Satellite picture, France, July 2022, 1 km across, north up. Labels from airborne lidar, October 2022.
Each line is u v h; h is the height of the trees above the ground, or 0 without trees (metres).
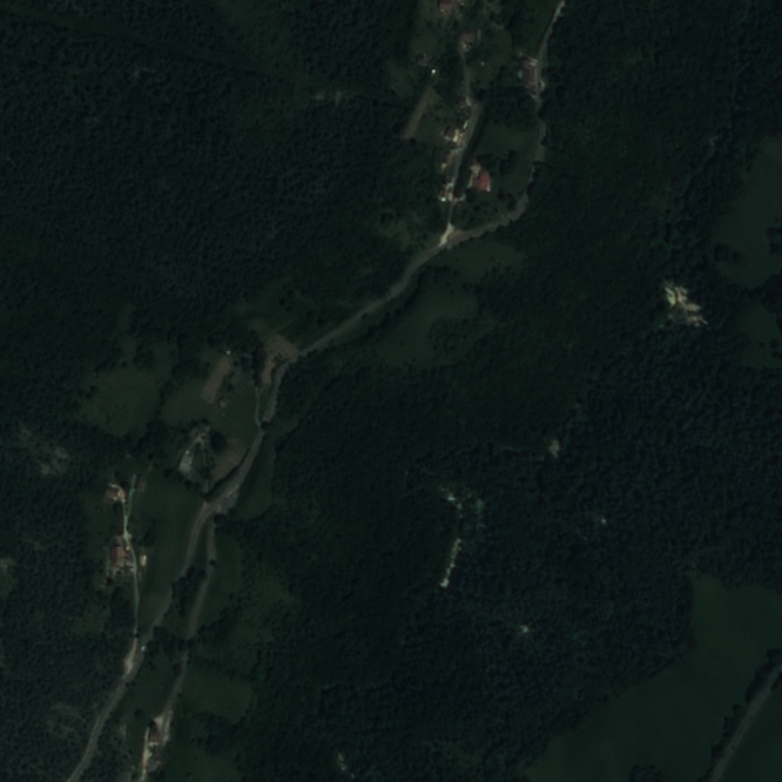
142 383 0
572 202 18
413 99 5
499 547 21
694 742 0
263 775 22
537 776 0
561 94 17
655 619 28
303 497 10
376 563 28
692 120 29
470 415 21
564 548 32
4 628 7
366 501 23
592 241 14
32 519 7
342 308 7
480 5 11
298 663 24
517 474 25
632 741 0
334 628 17
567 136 10
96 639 6
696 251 28
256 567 10
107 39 21
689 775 0
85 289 19
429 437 28
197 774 0
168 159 16
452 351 11
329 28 36
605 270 13
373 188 17
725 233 0
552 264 13
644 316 20
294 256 14
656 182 12
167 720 0
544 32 0
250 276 16
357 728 13
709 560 18
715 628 0
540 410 17
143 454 18
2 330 17
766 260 0
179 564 0
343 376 7
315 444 17
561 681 18
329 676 25
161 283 13
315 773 14
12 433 12
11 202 23
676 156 15
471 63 12
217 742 20
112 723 8
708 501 30
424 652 26
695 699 0
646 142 18
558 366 12
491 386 19
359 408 30
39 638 11
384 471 29
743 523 24
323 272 10
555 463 28
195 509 0
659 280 13
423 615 22
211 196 16
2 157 8
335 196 9
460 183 9
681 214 11
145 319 20
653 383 20
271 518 8
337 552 20
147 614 0
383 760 16
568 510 8
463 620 21
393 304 10
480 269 0
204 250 16
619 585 24
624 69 13
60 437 12
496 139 0
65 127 23
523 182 0
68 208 19
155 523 6
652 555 21
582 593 32
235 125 11
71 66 23
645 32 22
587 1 20
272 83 19
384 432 23
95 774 9
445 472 15
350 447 16
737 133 22
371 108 12
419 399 22
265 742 17
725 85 29
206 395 0
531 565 23
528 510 26
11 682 11
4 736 15
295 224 18
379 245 12
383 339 9
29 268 19
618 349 21
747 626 0
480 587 17
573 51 21
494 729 24
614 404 22
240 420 0
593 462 31
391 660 24
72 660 15
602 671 16
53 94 17
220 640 14
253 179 23
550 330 10
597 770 0
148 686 0
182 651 13
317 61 12
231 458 0
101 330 16
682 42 29
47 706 8
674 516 22
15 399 15
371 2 17
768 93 29
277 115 13
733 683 0
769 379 25
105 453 14
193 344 13
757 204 0
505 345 13
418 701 26
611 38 21
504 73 11
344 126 13
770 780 0
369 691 17
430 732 20
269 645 8
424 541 28
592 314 14
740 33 30
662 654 27
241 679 12
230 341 13
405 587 19
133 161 19
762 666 0
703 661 0
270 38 6
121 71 21
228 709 0
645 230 15
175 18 23
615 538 8
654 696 0
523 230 15
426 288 16
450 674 21
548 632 13
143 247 8
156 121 10
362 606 20
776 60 25
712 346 26
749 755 0
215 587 0
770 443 26
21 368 15
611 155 15
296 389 13
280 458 12
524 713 18
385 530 24
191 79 16
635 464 24
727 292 27
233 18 8
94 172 19
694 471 18
